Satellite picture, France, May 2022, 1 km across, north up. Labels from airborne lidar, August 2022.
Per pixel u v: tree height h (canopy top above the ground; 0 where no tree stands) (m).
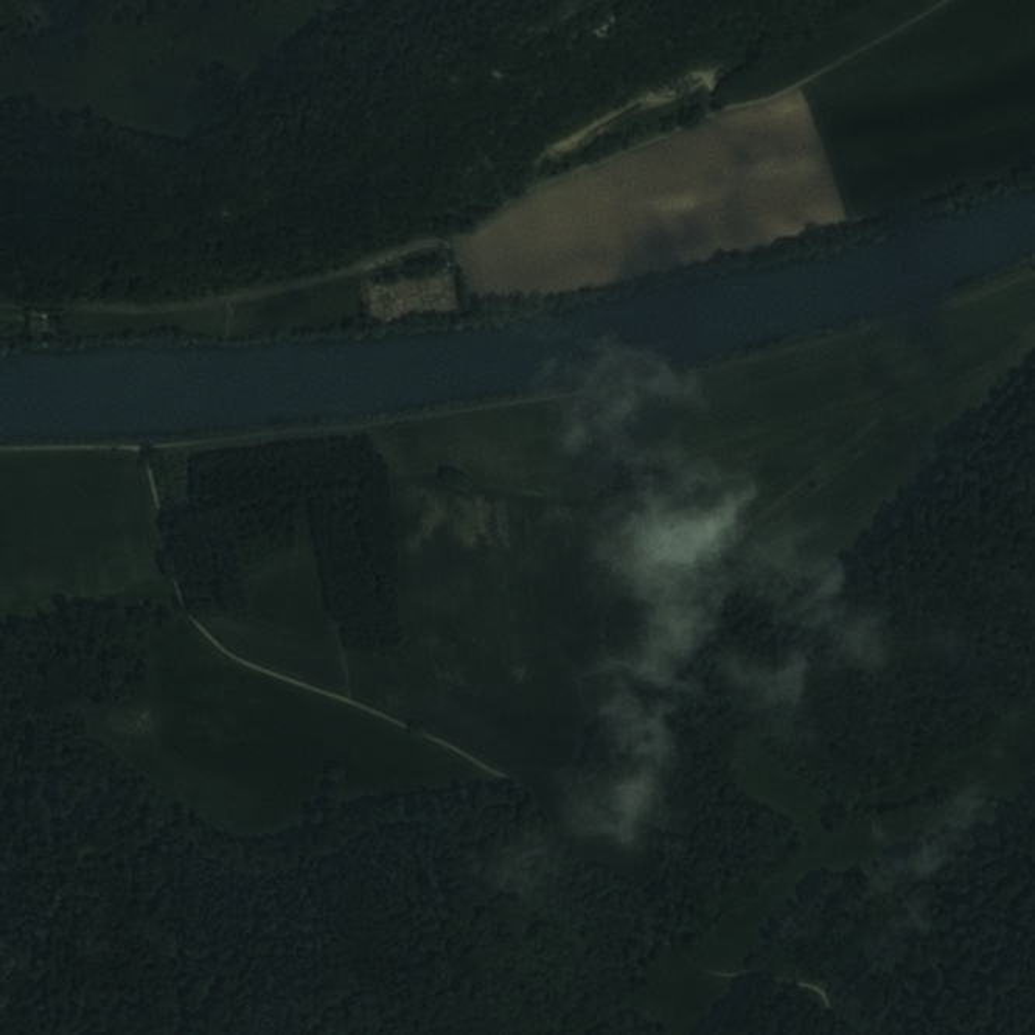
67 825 12
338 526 18
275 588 0
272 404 0
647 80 22
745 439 0
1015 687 22
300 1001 20
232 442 0
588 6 21
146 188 15
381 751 0
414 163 14
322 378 0
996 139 0
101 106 0
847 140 0
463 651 0
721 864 16
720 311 0
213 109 21
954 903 32
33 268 17
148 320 0
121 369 0
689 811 22
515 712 0
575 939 15
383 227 21
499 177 11
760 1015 12
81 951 25
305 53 14
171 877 16
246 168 15
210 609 14
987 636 15
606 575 0
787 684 22
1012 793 0
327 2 0
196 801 0
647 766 18
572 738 0
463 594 0
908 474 0
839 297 0
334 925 18
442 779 0
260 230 23
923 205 11
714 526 23
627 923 13
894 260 0
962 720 22
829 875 14
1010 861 34
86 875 13
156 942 22
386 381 0
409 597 0
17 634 24
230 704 0
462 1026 14
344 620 16
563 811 0
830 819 21
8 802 26
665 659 0
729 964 0
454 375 0
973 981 25
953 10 0
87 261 24
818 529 0
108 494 0
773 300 0
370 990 16
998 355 0
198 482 18
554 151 0
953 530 28
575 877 25
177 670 0
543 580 0
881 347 0
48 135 18
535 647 0
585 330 0
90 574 0
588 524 0
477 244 0
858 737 20
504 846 19
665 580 0
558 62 15
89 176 14
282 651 0
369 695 0
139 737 0
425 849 24
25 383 0
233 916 25
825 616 20
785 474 0
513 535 0
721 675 22
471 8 14
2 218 18
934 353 0
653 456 0
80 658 14
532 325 0
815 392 0
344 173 11
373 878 19
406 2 22
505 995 16
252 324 0
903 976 24
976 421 26
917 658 17
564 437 0
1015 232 0
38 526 0
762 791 0
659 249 0
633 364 0
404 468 0
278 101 15
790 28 21
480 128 12
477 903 16
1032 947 27
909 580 20
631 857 0
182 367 0
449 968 24
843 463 0
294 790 0
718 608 22
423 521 0
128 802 19
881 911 6
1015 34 0
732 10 16
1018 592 17
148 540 0
